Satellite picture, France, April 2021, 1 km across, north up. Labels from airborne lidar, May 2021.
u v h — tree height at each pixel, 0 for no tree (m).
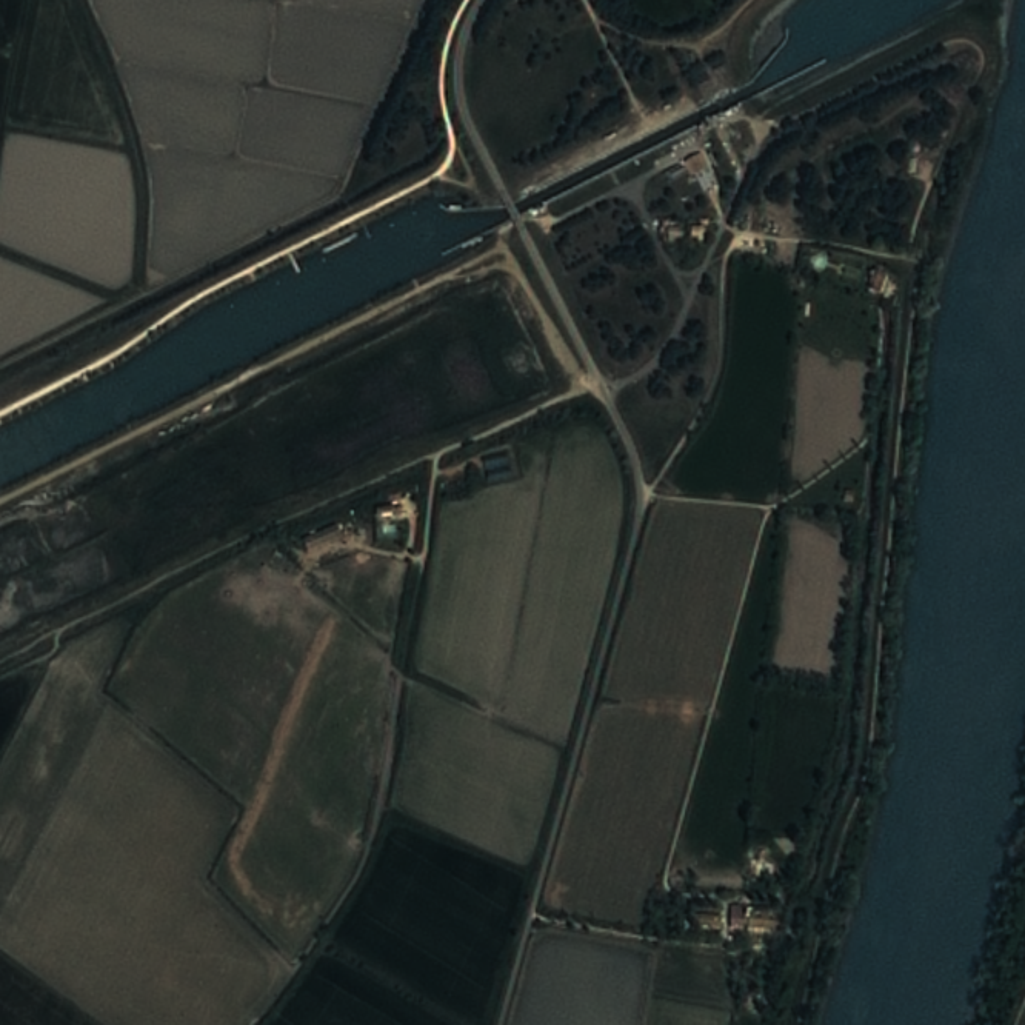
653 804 0
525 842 0
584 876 0
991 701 0
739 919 0
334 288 0
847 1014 0
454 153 0
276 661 0
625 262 13
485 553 0
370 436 0
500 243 0
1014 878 11
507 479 0
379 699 0
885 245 12
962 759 0
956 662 0
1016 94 0
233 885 0
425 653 0
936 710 0
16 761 0
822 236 7
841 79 0
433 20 16
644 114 0
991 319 0
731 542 0
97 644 0
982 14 0
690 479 0
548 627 0
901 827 0
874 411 12
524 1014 0
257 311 0
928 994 0
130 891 0
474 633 0
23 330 0
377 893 0
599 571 0
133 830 0
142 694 0
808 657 0
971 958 0
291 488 0
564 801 0
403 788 0
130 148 0
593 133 10
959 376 0
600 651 0
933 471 0
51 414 0
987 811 0
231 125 0
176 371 0
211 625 0
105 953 0
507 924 0
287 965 0
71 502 0
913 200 13
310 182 0
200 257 0
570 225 6
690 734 0
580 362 0
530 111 0
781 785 0
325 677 0
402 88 14
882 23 0
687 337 11
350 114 0
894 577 13
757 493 0
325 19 0
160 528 0
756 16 0
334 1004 0
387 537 0
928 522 0
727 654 0
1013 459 0
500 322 0
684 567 0
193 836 0
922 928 0
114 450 0
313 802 0
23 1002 0
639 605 0
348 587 0
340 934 0
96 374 6
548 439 0
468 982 0
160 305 8
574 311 0
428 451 0
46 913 0
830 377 0
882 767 12
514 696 0
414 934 0
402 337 0
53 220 0
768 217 0
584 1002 0
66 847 0
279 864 0
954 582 0
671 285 0
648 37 11
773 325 0
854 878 16
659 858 0
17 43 0
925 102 11
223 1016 0
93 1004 0
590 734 0
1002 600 0
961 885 0
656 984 0
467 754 0
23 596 0
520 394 0
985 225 0
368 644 0
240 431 0
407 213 0
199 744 0
